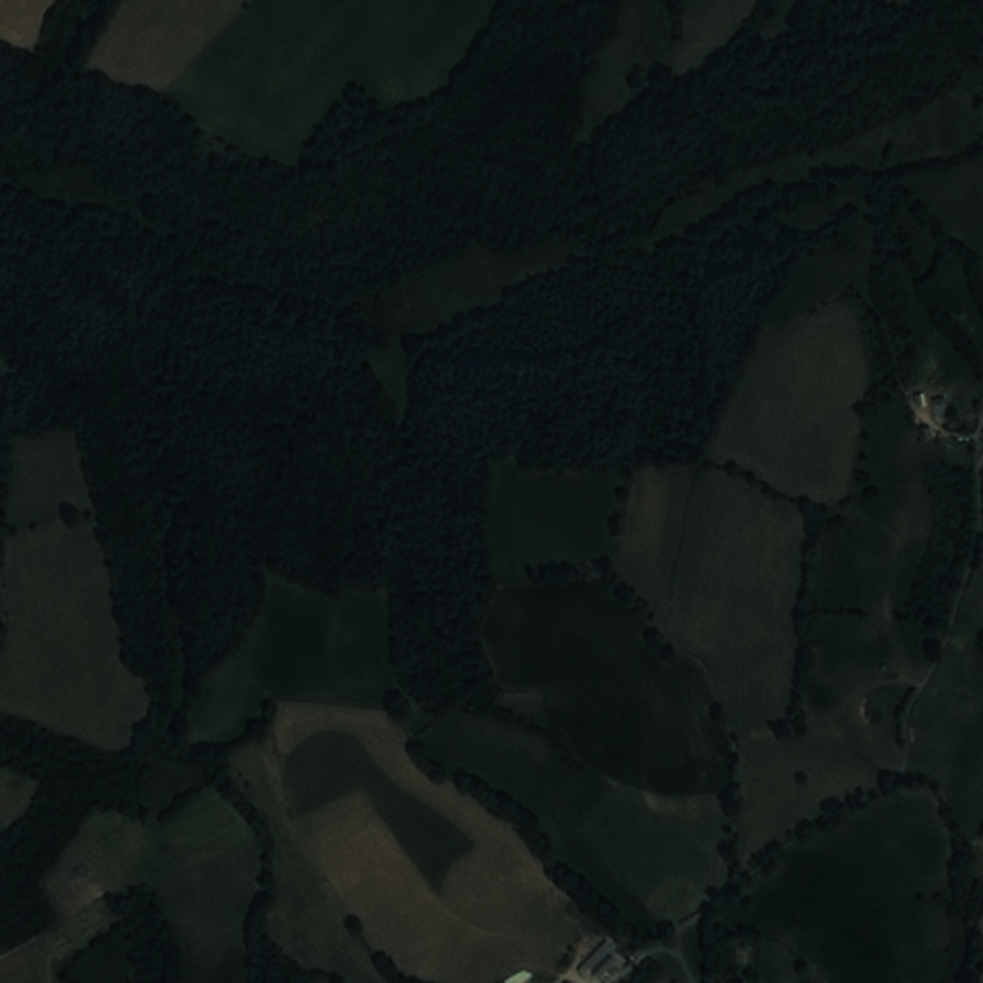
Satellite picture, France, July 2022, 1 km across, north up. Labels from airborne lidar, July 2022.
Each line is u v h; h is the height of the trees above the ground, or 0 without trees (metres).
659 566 0
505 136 21
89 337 22
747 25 8
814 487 0
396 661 16
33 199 14
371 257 24
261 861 10
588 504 0
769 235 23
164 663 21
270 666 0
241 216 17
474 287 0
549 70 26
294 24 0
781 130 15
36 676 0
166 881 0
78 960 7
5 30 0
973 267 15
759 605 0
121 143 16
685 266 9
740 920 0
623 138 21
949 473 7
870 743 0
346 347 28
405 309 0
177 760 8
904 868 0
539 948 0
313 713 0
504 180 18
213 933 0
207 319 18
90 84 15
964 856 28
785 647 0
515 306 8
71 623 0
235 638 19
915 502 0
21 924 8
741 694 0
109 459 27
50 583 0
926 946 0
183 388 24
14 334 20
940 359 0
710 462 8
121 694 0
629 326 20
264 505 23
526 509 0
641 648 0
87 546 0
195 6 0
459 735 0
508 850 0
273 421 28
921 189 0
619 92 0
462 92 19
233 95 0
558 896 0
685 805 0
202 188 13
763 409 0
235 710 0
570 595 0
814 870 0
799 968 15
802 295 0
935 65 16
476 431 25
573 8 14
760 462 0
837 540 0
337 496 25
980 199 0
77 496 0
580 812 0
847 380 0
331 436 24
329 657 0
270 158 11
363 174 18
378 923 0
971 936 18
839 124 18
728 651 0
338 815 0
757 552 0
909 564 0
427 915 0
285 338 33
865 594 0
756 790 0
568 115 18
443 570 22
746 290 34
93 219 16
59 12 10
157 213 18
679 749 0
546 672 0
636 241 15
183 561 31
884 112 11
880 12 19
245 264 20
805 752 0
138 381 21
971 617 0
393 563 22
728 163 16
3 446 17
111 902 14
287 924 0
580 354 22
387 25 0
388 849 0
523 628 0
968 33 18
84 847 0
